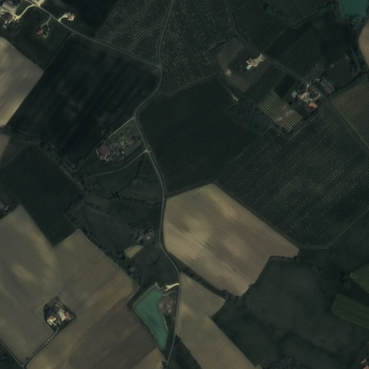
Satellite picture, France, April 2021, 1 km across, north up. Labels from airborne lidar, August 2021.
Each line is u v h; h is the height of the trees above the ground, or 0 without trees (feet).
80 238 0
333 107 0
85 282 0
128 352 0
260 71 0
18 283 0
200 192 0
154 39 17
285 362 51
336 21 51
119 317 0
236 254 0
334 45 0
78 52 0
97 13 0
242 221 0
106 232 0
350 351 0
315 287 0
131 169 0
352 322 0
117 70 0
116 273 0
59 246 0
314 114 27
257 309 0
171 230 0
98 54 0
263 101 0
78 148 0
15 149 0
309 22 0
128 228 0
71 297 0
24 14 0
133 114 0
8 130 58
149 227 0
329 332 0
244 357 0
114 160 54
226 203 0
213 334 0
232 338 0
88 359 0
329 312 0
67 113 0
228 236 0
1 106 0
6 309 0
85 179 0
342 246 0
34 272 0
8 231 0
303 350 0
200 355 0
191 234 0
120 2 0
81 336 0
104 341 0
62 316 0
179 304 0
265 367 0
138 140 42
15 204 21
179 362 0
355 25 61
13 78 0
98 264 0
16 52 0
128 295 0
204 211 0
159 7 18
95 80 0
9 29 19
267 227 0
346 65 0
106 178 0
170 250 0
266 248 0
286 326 0
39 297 0
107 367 0
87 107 0
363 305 0
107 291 0
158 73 0
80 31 0
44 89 0
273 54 0
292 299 0
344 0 0
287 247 0
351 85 31
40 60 0
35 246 0
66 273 0
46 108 0
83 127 0
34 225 0
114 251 0
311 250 0
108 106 0
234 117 18
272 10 48
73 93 0
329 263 0
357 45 27
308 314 0
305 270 0
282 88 0
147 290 0
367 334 0
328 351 0
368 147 0
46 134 0
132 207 0
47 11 0
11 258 0
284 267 0
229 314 0
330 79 32
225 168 0
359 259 0
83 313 0
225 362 0
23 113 0
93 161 0
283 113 0
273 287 0
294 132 32
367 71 74
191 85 0
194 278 33
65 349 0
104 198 0
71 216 32
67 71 0
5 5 0
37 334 0
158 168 0
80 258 0
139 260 0
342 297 0
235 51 0
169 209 0
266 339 0
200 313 0
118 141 0
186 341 0
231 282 0
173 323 0
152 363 0
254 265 0
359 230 0
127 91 0
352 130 0
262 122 62
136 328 0
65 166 32
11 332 0
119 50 0
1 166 0
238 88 0
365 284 0
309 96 22
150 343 0
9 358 45
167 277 0
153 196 0
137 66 0
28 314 0
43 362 0
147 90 0
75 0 0
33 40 0
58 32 0
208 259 0
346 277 72
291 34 0
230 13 0
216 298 0
